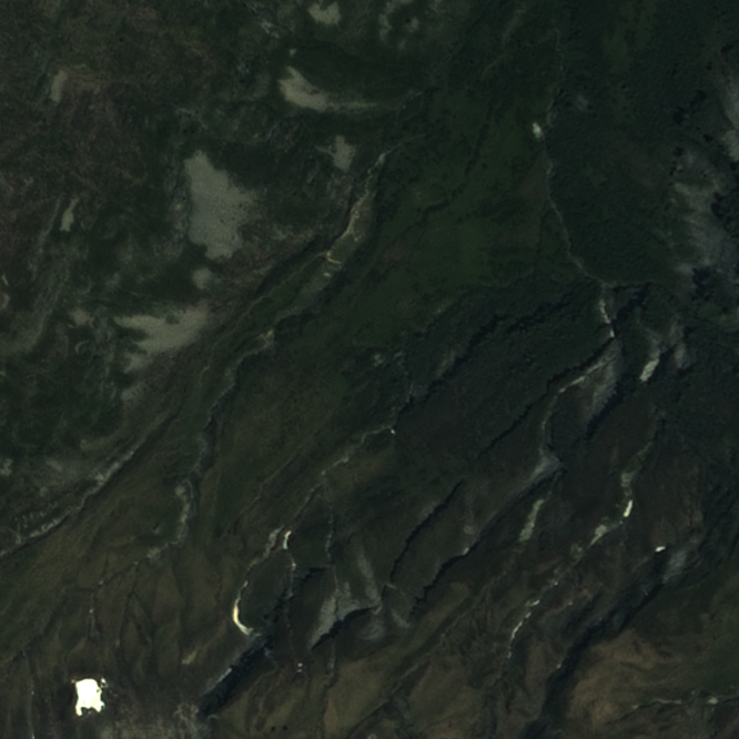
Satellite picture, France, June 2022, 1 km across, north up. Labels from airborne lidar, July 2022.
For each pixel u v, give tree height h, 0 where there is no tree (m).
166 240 0
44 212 0
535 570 0
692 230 0
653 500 0
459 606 0
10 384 0
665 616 0
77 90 0
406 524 0
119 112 0
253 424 0
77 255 0
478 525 0
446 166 0
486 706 0
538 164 0
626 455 0
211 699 0
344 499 0
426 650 0
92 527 0
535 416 0
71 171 0
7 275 0
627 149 0
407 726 0
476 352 5
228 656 0
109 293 0
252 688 0
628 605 0
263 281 0
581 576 0
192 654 0
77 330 0
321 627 0
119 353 0
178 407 0
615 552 0
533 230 0
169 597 0
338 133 0
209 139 0
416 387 0
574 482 0
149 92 0
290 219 0
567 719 0
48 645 0
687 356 0
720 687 0
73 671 0
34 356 0
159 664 0
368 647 0
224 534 0
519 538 0
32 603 0
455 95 0
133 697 0
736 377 6
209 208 0
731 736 0
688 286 0
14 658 0
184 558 0
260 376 0
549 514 0
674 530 0
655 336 0
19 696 0
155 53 0
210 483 0
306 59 0
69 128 0
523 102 0
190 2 0
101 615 0
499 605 0
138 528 0
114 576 0
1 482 0
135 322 0
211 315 0
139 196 0
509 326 6
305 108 0
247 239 0
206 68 0
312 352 0
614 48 0
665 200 0
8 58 0
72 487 0
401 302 0
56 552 0
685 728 0
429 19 0
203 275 0
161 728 0
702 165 0
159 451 0
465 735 0
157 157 0
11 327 0
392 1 0
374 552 0
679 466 0
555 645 0
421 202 0
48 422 0
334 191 0
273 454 0
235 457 0
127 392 0
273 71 0
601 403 0
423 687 0
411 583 0
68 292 0
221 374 0
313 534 0
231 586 0
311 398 0
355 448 0
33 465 0
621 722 0
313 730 0
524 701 0
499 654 0
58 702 0
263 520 0
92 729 0
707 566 0
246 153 0
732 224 9
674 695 0
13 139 0
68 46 0
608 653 0
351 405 0
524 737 0
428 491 0
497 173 0
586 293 6
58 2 0
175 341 0
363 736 0
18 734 0
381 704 0
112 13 0
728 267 0
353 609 0
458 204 0
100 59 0
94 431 0
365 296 0
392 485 0
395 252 0
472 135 0
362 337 0
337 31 0
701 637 0
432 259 0
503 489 0
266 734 0
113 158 0
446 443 0
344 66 0
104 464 0
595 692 0
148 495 0
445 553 0
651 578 0
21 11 0
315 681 0
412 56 0
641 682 0
